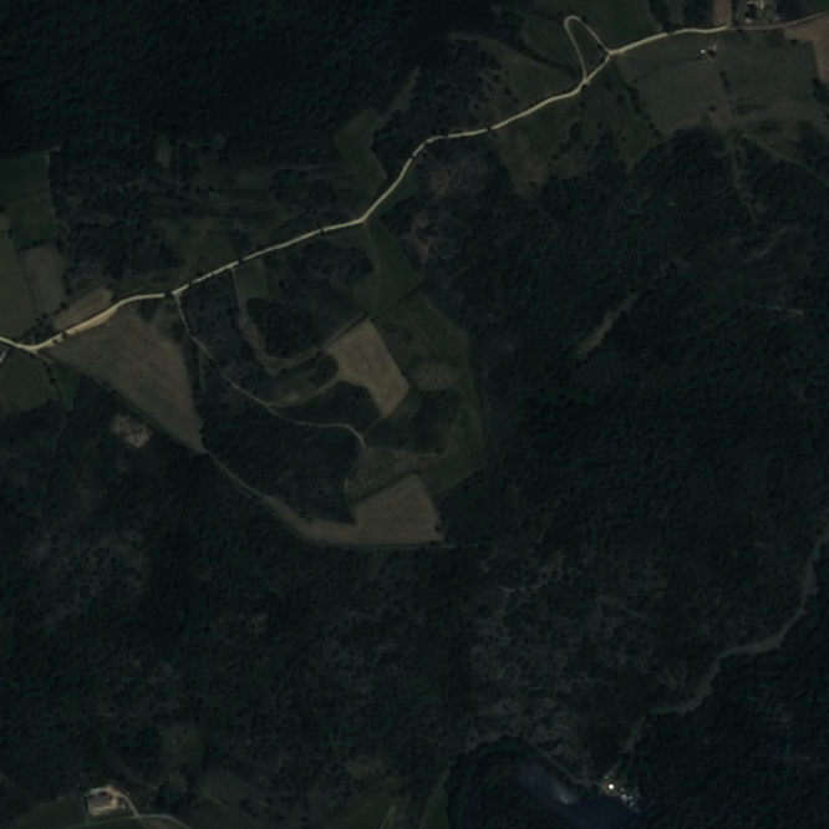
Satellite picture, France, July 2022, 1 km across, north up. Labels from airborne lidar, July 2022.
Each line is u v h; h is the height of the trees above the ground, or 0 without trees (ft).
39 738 52
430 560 32
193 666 35
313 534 0
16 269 0
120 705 49
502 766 52
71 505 21
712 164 32
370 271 27
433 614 51
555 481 42
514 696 27
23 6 78
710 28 0
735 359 50
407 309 0
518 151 0
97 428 31
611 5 0
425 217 0
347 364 0
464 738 34
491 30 47
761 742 42
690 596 36
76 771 51
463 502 0
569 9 0
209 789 0
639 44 0
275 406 0
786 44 0
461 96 36
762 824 61
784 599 50
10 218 0
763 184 37
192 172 36
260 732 25
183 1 80
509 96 32
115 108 25
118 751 23
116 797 0
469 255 20
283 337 22
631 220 43
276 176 19
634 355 44
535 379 24
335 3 49
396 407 0
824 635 73
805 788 40
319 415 0
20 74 35
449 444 0
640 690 58
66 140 32
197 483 47
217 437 27
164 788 34
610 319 0
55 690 39
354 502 0
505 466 26
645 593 23
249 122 50
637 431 42
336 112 45
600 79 0
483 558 28
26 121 41
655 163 28
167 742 0
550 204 24
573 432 43
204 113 47
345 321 0
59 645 47
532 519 21
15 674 22
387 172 28
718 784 82
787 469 51
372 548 0
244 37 47
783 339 36
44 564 36
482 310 18
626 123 0
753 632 42
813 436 69
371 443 0
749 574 41
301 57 53
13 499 20
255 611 33
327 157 30
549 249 32
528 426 37
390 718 38
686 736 64
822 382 33
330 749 41
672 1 0
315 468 24
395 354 0
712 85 0
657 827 56
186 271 0
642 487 43
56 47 79
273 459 27
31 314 0
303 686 36
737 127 0
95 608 26
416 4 55
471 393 0
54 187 28
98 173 26
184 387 0
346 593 0
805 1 0
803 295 28
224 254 0
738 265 0
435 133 28
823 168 27
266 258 22
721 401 61
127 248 40
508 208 31
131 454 24
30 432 24
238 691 31
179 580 42
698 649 43
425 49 29
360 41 56
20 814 28
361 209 0
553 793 0
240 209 0
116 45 42
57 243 24
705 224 38
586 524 49
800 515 26
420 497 0
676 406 52
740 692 29
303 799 26
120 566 26
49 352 0
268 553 30
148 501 21
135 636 40
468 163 0
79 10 52
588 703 23
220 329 0
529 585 27
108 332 0
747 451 65
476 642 31
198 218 0
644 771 63
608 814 0
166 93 56
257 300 23
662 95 0
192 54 70
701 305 55
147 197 30
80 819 0
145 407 0
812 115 0
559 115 0
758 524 29
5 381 0
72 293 28
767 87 0
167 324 0
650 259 41
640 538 60
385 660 45
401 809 0
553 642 23
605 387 58
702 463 60
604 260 31
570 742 19
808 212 20
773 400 41
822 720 52
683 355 56
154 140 34
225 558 21
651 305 85
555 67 21
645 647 23
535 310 32
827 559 64
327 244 25
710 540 52
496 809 24
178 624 25
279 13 46
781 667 59
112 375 0
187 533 54
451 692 58
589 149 34
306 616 44
